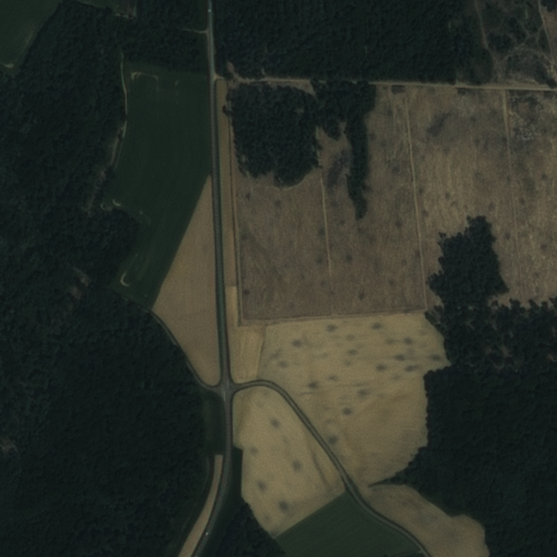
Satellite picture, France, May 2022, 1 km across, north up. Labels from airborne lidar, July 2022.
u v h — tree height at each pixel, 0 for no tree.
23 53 0
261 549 29
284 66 25
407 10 14
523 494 22
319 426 0
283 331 0
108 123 25
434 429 21
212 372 0
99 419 28
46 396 29
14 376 29
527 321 0
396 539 0
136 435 28
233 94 20
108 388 31
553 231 0
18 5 0
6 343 17
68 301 27
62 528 22
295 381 0
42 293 23
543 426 27
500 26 0
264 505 0
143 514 27
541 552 27
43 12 0
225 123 0
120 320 22
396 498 0
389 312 0
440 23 14
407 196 0
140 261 0
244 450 0
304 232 0
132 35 18
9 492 23
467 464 25
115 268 26
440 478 29
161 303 0
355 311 0
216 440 0
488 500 25
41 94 28
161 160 0
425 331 0
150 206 0
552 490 25
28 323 27
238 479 0
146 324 17
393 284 0
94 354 31
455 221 0
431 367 0
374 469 0
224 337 0
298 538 0
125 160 0
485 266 27
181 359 26
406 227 0
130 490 28
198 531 0
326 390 0
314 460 0
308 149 29
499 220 0
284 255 0
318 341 0
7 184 29
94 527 30
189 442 30
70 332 22
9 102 28
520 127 0
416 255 0
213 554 0
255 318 0
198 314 0
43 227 29
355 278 0
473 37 19
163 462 30
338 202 0
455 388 32
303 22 20
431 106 0
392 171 0
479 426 28
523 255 0
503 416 25
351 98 28
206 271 0
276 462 0
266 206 0
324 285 0
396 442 0
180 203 0
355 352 0
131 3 0
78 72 27
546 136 0
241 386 0
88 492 18
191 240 0
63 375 24
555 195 0
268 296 0
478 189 0
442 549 0
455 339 25
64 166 29
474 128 0
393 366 0
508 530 27
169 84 0
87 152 21
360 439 0
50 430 29
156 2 23
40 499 24
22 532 24
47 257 28
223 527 0
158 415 28
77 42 27
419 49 21
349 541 0
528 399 26
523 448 20
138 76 0
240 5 20
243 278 0
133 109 0
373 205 0
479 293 23
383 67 23
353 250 0
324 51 22
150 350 25
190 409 27
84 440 29
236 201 0
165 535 28
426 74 21
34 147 32
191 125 0
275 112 21
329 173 0
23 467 23
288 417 0
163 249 0
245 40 37
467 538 0
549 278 0
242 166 21
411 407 0
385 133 0
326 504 0
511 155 0
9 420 27
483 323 26
